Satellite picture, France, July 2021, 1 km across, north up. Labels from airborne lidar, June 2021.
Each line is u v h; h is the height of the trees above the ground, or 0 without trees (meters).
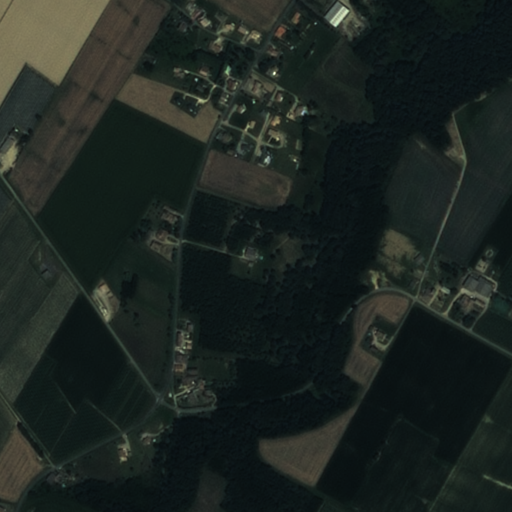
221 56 11
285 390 16
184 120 0
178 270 0
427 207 0
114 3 0
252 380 11
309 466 0
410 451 0
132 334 0
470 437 0
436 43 26
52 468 0
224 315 10
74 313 0
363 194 14
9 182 0
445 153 0
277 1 0
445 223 0
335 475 0
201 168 0
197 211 9
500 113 0
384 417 0
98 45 0
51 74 0
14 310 0
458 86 24
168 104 0
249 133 0
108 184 0
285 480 11
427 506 0
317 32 0
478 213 0
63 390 0
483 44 27
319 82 0
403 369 0
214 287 10
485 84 24
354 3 8
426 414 0
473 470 0
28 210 0
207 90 7
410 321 0
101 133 0
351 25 0
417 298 0
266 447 0
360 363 0
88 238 0
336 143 14
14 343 0
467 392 0
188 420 19
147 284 0
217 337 8
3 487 0
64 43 0
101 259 0
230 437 25
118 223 0
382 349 0
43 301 0
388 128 16
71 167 0
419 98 26
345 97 0
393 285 0
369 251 15
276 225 14
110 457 0
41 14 0
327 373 23
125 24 0
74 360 0
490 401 0
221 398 12
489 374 0
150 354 0
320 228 17
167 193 0
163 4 0
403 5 19
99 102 0
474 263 0
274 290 14
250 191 0
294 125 0
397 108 27
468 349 0
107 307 0
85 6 0
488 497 0
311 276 18
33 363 0
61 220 0
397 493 0
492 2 19
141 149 0
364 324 0
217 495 0
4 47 0
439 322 0
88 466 0
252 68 0
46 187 0
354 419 0
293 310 15
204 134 0
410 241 0
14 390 0
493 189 0
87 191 0
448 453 0
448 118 20
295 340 18
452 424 0
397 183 0
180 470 23
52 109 0
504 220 0
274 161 0
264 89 0
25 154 0
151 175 0
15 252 0
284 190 0
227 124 0
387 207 9
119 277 0
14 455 0
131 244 0
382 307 0
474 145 0
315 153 0
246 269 0
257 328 8
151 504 13
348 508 0
